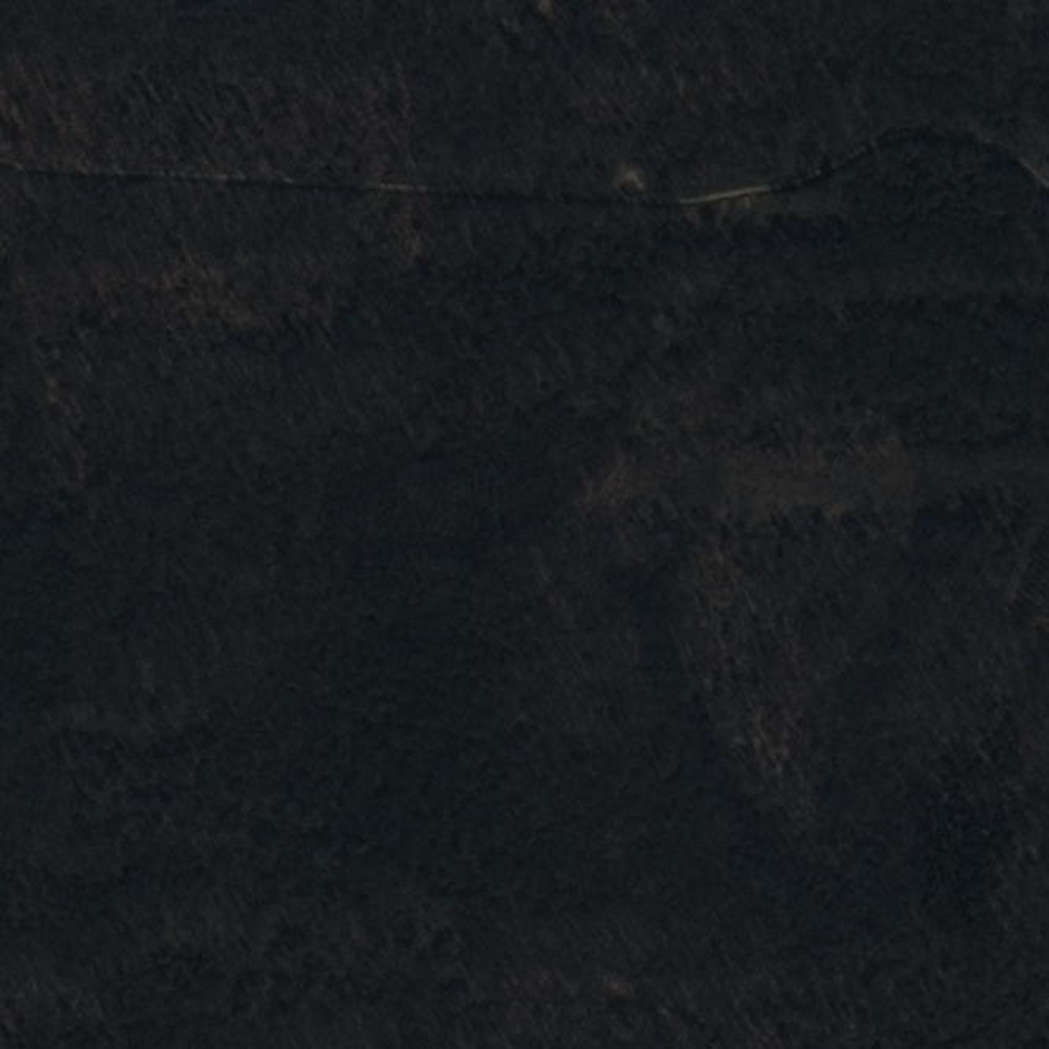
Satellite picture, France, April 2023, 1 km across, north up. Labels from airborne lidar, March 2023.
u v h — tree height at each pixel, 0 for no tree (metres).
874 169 22
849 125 30
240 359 22
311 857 28
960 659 30
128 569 23
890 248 26
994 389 25
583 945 29
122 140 23
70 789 30
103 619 24
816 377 26
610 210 21
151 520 25
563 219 22
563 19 21
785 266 29
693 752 21
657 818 20
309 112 26
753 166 23
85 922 29
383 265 24
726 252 27
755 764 21
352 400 22
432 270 17
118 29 23
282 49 19
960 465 28
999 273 25
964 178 24
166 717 21
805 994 23
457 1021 24
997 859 19
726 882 22
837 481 0
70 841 30
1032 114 26
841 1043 21
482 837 23
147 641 32
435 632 22
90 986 31
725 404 26
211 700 30
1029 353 25
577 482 22
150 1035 22
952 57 23
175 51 16
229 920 28
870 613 28
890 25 18
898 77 25
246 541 23
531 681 28
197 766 25
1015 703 23
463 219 27
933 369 25
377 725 23
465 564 26
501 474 28
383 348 30
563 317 27
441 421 27
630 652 31
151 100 24
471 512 23
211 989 25
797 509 0
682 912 27
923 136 24
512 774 30
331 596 25
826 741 21
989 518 21
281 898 30
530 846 26
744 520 0
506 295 24
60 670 23
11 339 23
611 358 25
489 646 22
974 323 29
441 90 25
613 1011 28
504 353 27
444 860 19
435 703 25
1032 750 24
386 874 26
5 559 23
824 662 26
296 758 24
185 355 24
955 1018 23
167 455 21
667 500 0
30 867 26
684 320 31
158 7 21
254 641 33
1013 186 26
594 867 24
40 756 27
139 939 28
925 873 24
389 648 24
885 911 26
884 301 23
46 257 24
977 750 21
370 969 11
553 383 21
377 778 30
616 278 25
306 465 23
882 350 26
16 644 25
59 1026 22
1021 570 24
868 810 24
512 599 25
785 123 23
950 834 22
